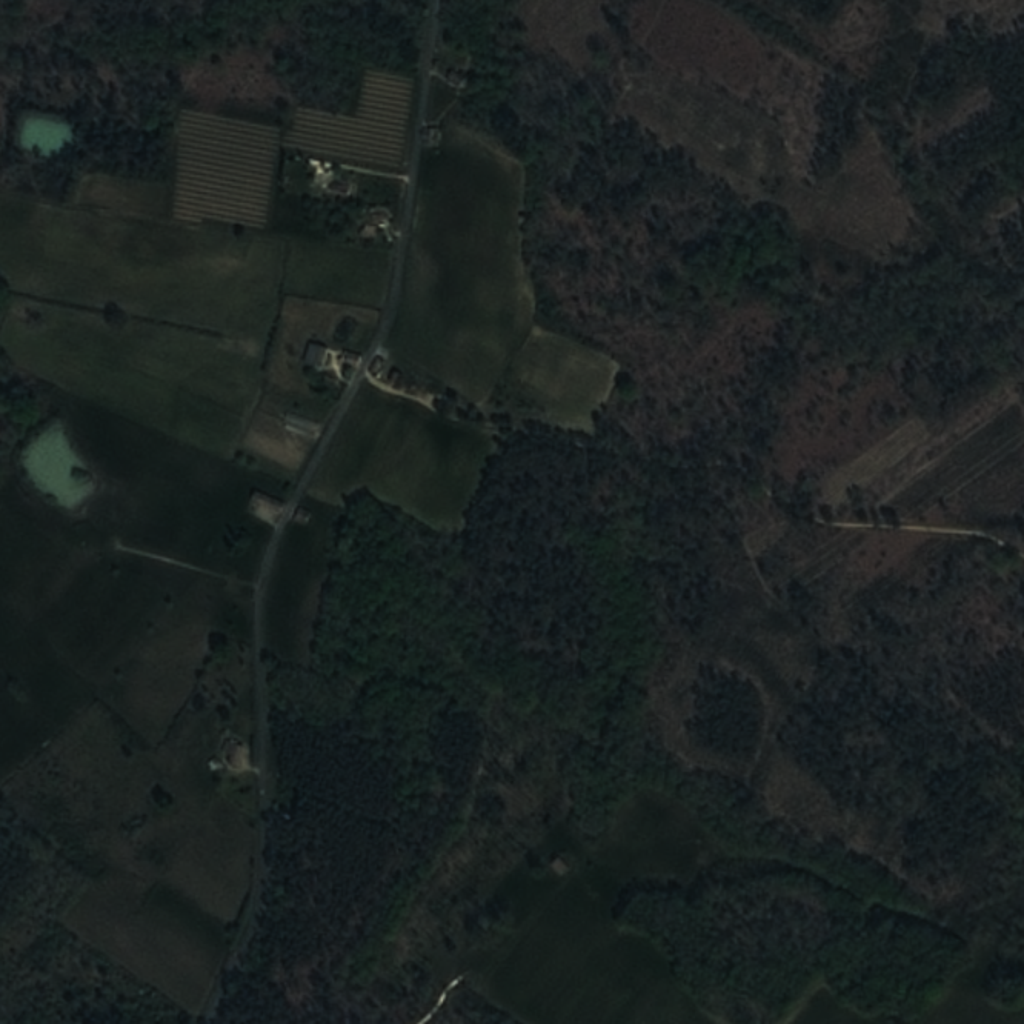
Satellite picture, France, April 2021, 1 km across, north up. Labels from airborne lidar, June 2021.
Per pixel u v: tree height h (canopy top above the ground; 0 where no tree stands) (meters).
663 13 0
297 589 0
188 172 0
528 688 26
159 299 0
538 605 21
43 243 0
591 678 24
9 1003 12
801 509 16
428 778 24
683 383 7
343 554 16
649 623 21
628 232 10
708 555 23
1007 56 22
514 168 0
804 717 10
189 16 18
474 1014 14
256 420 0
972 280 22
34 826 9
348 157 0
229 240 0
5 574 0
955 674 9
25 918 7
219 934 0
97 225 0
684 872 0
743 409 8
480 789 10
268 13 20
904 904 23
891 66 7
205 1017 0
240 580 0
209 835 0
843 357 13
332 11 19
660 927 27
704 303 20
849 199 0
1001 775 18
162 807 16
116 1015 13
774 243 30
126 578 0
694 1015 0
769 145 0
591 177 19
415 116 0
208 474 0
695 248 13
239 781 7
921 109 18
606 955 0
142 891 0
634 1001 0
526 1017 0
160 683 0
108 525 0
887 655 12
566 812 9
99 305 0
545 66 18
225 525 0
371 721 23
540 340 0
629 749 22
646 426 9
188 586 0
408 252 0
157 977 0
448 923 12
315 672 14
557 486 18
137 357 0
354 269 0
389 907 21
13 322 0
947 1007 0
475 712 12
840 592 9
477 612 14
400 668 19
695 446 10
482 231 0
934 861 22
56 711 0
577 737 15
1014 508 0
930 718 9
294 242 0
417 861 19
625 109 0
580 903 0
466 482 0
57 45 10
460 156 0
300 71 20
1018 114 19
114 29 16
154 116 19
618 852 0
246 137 0
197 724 0
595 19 0
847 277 17
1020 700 13
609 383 0
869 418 8
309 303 0
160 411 0
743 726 21
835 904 17
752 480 14
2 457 14
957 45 18
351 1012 8
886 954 21
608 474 21
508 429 11
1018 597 8
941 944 22
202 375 0
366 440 0
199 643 0
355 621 10
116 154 17
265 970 13
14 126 10
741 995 16
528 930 0
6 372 17
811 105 10
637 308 17
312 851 20
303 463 0
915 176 26
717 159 0
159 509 0
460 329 0
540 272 6
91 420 0
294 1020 15
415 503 0
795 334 24
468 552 12
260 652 0
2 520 0
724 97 14
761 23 12
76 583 0
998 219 0
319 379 8
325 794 17
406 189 0
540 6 0
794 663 0
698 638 16
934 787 17
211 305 0
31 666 0
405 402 0
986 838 10
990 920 5
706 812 20
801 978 18
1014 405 0
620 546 20
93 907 0
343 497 0
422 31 12
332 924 20
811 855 17
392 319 0
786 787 0
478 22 18
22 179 8
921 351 10
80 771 0
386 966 11
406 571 22
